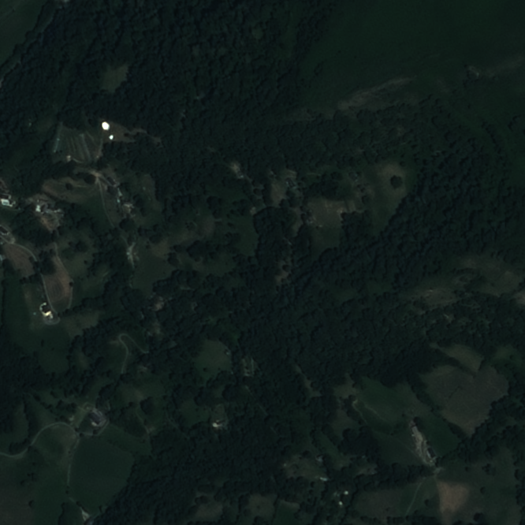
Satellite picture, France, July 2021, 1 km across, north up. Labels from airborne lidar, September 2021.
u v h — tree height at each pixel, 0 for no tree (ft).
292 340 38
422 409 0
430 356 50
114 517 53
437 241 78
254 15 88
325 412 33
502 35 0
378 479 72
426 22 0
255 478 56
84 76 98
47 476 0
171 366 80
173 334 44
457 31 0
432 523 60
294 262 43
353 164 83
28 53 39
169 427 25
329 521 49
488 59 0
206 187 81
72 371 38
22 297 0
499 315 39
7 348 60
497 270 0
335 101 0
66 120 48
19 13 0
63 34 46
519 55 0
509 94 0
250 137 52
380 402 0
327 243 0
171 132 49
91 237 24
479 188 46
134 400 0
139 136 52
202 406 67
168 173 77
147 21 86
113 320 18
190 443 26
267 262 73
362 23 0
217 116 50
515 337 55
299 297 51
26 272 0
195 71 34
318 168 67
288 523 0
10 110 64
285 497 41
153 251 0
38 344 0
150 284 0
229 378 26
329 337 51
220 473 51
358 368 72
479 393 0
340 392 0
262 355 51
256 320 66
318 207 0
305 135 73
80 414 0
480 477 0
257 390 52
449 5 0
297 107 21
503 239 29
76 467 0
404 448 0
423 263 41
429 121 44
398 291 51
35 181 47
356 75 0
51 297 0
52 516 0
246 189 54
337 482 68
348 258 64
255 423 62
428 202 40
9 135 34
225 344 64
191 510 42
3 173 54
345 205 0
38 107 62
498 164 19
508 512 0
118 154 30
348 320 47
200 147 61
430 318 70
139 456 28
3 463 0
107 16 74
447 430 0
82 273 0
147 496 32
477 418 0
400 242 58
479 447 76
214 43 71
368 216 35
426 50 0
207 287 27
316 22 26
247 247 0
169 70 80
